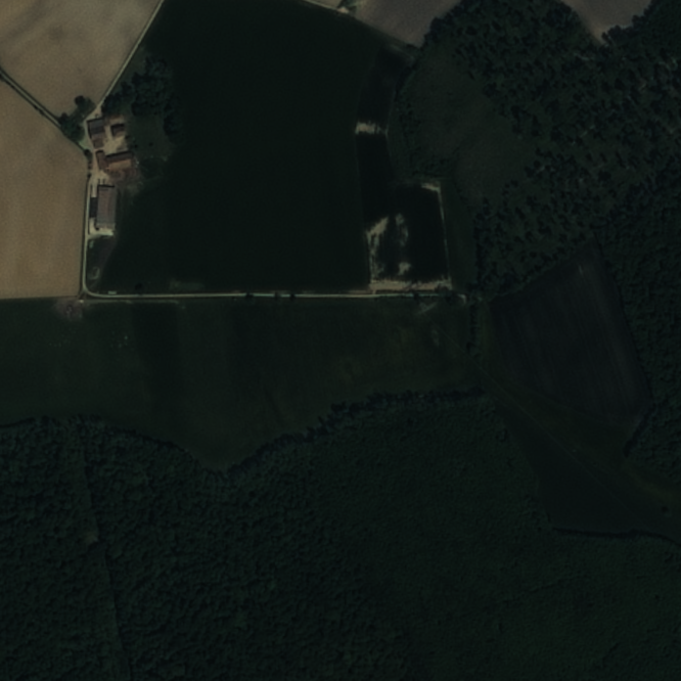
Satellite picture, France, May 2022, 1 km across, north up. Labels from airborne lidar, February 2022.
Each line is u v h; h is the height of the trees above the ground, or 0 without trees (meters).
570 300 0
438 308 0
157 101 16
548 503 0
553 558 19
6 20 0
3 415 0
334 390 0
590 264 0
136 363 0
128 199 0
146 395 0
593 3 0
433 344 0
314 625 27
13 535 27
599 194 0
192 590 26
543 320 0
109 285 0
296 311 0
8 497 29
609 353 0
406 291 6
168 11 0
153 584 27
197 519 28
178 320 0
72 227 0
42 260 0
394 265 0
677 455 20
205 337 0
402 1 0
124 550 28
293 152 0
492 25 0
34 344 0
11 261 0
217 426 0
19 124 0
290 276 0
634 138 24
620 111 24
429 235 0
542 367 0
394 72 0
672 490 0
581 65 20
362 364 0
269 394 0
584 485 0
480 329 16
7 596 30
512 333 0
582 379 0
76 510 27
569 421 0
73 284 0
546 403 0
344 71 0
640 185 0
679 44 17
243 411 0
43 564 26
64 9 0
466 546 18
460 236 0
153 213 0
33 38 0
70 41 0
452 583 17
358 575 25
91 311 0
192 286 0
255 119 0
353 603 26
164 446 17
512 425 0
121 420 0
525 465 12
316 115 0
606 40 16
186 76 0
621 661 16
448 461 16
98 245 0
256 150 0
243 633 24
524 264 23
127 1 0
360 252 0
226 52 0
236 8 0
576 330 0
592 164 23
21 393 0
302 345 0
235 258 0
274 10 0
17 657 27
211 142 0
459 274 0
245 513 24
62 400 0
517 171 0
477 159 0
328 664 27
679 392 23
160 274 0
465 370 0
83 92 0
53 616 25
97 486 24
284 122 0
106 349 0
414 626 17
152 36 0
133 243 0
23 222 0
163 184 0
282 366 0
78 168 0
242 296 0
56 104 0
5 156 0
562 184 25
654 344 17
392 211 0
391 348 0
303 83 0
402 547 18
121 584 26
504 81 26
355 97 0
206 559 24
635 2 0
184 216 0
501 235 26
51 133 0
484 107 0
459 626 15
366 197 0
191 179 0
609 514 0
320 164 0
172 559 26
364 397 0
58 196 0
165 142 0
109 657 17
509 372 0
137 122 0
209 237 0
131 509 29
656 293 18
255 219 0
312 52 0
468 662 18
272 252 0
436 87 0
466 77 0
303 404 0
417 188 0
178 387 0
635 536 16
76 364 0
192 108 0
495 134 0
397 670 23
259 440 0
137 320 0
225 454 0
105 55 0
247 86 0
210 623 28
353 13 0
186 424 0
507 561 18
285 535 28
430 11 0
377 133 0
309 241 0
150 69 12
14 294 0
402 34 0
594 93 25
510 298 0
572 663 16
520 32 24
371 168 0
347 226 0
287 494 27
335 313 0
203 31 0
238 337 0
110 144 0
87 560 23
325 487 16
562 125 23
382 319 0
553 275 0
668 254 23
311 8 0
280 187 0
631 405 0
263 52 0
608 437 0
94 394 0
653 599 16
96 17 0
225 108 0
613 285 0
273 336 0
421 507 19
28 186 0
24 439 19
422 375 0
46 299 0
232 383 0
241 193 0
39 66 0
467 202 10
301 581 24
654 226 24
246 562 28
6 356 0
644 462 21
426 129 0
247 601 24
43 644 25
